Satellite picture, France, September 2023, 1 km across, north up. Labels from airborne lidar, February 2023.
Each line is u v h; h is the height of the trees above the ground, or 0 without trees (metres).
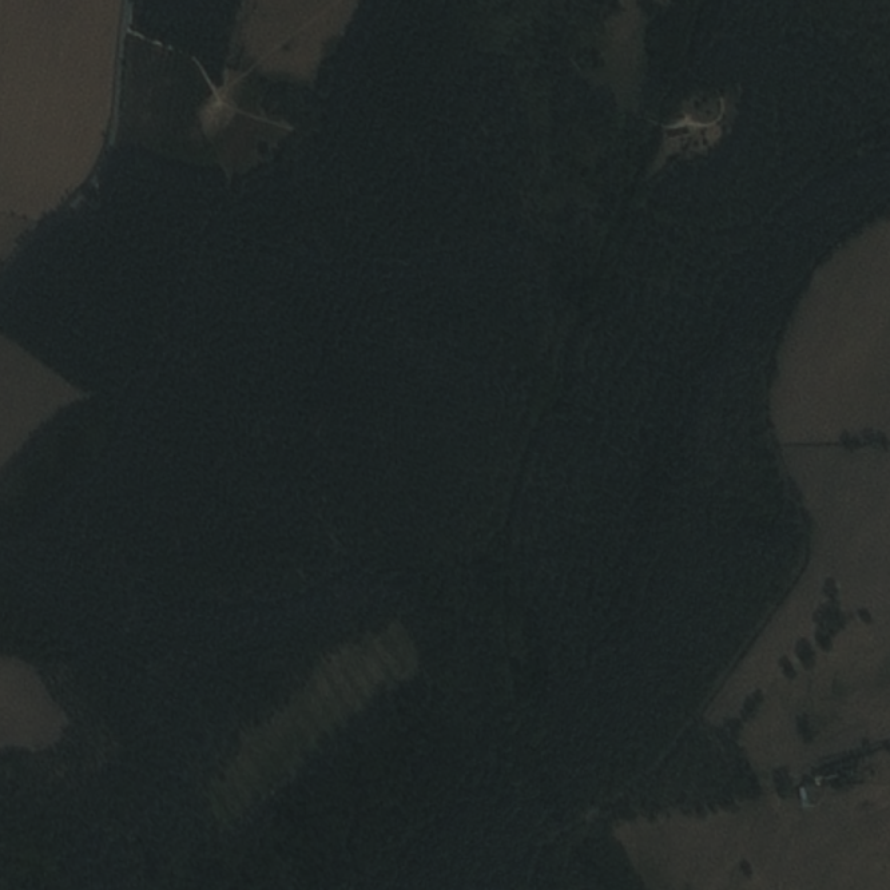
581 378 22
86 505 26
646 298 22
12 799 17
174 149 0
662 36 13
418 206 27
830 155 22
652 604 19
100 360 23
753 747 0
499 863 20
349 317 23
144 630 22
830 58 28
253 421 25
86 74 0
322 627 18
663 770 11
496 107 24
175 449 26
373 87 27
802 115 23
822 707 0
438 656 17
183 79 0
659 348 26
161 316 24
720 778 13
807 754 0
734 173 26
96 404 12
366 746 29
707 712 0
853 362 0
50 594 24
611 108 24
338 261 28
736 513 18
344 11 0
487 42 16
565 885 12
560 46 24
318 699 0
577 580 21
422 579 26
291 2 0
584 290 13
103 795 18
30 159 0
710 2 16
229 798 0
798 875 0
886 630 0
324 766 23
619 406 25
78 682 17
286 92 14
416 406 26
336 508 25
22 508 13
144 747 17
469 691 25
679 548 16
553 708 25
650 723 12
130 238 17
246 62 0
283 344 23
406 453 23
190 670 21
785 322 8
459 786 24
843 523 0
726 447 19
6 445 0
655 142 10
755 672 0
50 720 0
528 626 19
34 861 0
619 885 16
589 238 15
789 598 0
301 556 26
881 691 0
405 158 26
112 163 22
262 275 29
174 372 22
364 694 0
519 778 23
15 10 0
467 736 18
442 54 23
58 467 13
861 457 0
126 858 27
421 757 27
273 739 0
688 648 12
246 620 25
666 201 20
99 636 25
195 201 30
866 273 0
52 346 21
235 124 0
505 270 25
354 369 27
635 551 22
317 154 26
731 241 24
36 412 0
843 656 0
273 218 28
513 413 22
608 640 25
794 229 24
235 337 26
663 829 0
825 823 0
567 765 15
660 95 14
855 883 0
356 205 25
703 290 24
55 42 0
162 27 17
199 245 21
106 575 27
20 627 12
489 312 23
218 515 27
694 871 0
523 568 17
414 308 26
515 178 18
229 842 24
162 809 32
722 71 24
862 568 0
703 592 14
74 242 22
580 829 10
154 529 24
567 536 26
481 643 24
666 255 20
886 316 0
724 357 25
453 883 22
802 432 0
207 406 25
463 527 24
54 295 21
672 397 24
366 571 14
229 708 20
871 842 0
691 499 14
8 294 19
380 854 28
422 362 26
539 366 25
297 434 26
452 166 24
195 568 27
